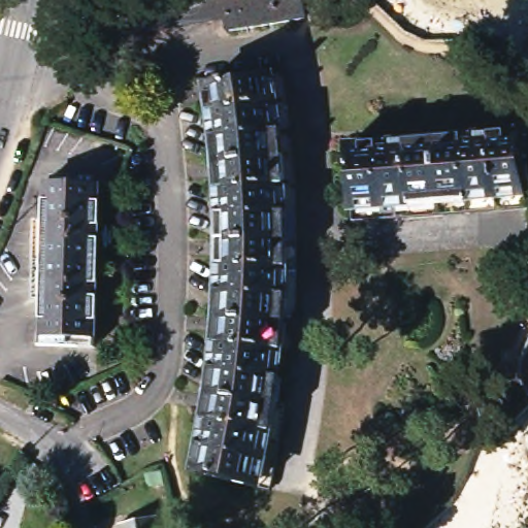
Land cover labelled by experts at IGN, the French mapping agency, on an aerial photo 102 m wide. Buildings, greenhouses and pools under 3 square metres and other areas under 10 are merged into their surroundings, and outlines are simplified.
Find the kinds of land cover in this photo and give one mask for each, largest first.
<instances>
[{"label":"impervious surface","instance_id":"1","mask_svg":"<svg viewBox=\"0 0 528 528\"><path fill-rule=\"evenodd\" d=\"M39 0H0V202L10 188V177L19 159V142L31 136L33 116L41 107H52L60 99H64L68 87L56 80V74L50 66L37 64L35 50L31 47V35H37L33 21ZM394 39L406 43L404 54H410L413 50L427 54H443L448 52V45L443 41H429L406 33L380 6H375L371 8V14ZM182 14L151 21L146 25H132L128 29V35L136 37L134 50L130 52V62H153L155 74L161 78V85L171 91V97L179 105L173 113L163 116L155 124H146L138 116L130 120L153 138L155 167L163 169L159 190L155 196V208L165 225V237L157 243L155 254H122L120 283H128L130 278L134 283L130 301L134 320L128 322L130 330H138L142 334L144 344L155 363L149 365V369L136 380H128L124 373L109 377V382L103 386L95 384L93 388L80 394H72L70 388L74 384L99 371L97 363V349L93 347L85 355H68L64 349L37 347L35 340L43 332L39 330V320L31 316V307L25 305L23 299L27 295V266L21 260L27 256L29 217L35 215L37 208V188L47 186L52 179H66L68 188L87 186L93 198H97L101 186L109 188L118 179V151H122L124 157H132L130 146L122 144V113L116 107L113 87H99L95 95L76 93V101L85 105L78 111V116L85 124L91 126V132H97V138L72 136L56 130L47 132L41 157L29 177L23 204L19 208V223L12 231L8 245L4 248V254L0 256V386L4 384V375H14L23 382H35L43 377L52 386L54 400L60 398L64 406H68V400L74 402V410H78L80 415L76 425L66 417H54L50 421L39 419L35 417L31 406L21 408L17 404L0 400V427L4 429L2 439L21 448L29 464L45 468L56 476L50 491L60 503L58 518L66 524V528H111L116 518V503L101 499H91V489L83 483L91 472H99L101 468H105L103 454L95 448V437H103L113 458L120 460H124V454H138L140 448H146L155 439L163 437L159 425L153 423V419L155 413H159L163 406H169L177 404L179 390L175 388V380L184 373V367H188V371L196 377L200 375V367H196V361L204 355V338L200 332L208 328L210 293H206L204 289L208 285V278L196 274L200 266H208V243L198 241L202 231L196 229L198 221H208V184L204 179L190 186L188 151L194 149L196 153H200L204 149V142L200 138H194V132L204 130L200 109L206 107L210 99V78L215 74L229 72L231 83L276 76L278 83L285 87V101L289 107L285 136L297 142L293 190L295 198L293 212L289 219L293 225L297 260L295 322L305 328L309 320L320 318L322 314L330 320L334 311L328 307L330 289L328 268L322 262V254L318 248L320 239L326 233H330L334 239H340L342 229H363L365 254L373 258L375 264H382V274L394 272L392 260L404 250V245L410 252H458L462 248L472 245L483 248L487 252L505 241L509 235H516L528 227V225L526 206L520 202L503 204L499 210H495L493 206H483L474 215L464 212L456 217H408L402 223V227H398L394 219H384L380 212L361 215L355 210H347L344 204L332 210V206L326 202L324 190L330 184L332 171L326 167V149L338 151L340 140L351 136V132L342 130L330 132V101L328 89L320 83V66L316 56L318 45L314 43L307 21H301L285 23V19H276L268 23L225 29L221 21H208L182 27ZM481 359L489 361L497 369V373L505 377V400L499 410L505 417L514 419V425L520 431L528 425V322L518 320L503 324L497 328L483 330L481 342ZM328 384V365L320 367V363H316L307 353L299 363H291V373L287 375V394L283 402L285 421L283 427L268 437V458L262 468L264 476H270V485L266 487L270 493H303L301 507L297 512L311 516L309 526L318 524L322 518L332 520L336 516V503L326 501V497L314 487L316 474L311 472V464L316 456ZM25 499L21 493L14 491L8 499V505L0 501V528H21Z\"/></svg>","mask_w":528,"mask_h":528},{"label":"building","instance_id":"2","mask_svg":"<svg viewBox=\"0 0 528 528\"><path fill-rule=\"evenodd\" d=\"M276 19H285V23L301 21L303 6L301 0H200L194 2L188 8V12L182 14V27L208 21H221L225 29L268 23ZM204 130L194 132V138H200L204 142V149L208 155L204 179L208 184V221H198L196 229L202 231L198 241L208 243V266H200L196 274L208 278V285L204 289L206 293H210L208 328L200 332L204 338V355L196 361V367H200V375L196 377L188 371V367H184V373L175 380V388L179 390L177 404L179 406H188L194 410V435L190 439L188 460H198V468L202 472L215 474L217 479L233 481L245 493L254 495L260 487H266L270 485V476H264L262 468L268 458V437L283 427L285 421L283 402L287 394V375L291 373V363H299L307 353L301 351V338L305 328L295 322L297 260L293 225L289 219L293 212L295 198L293 190L297 142L285 136L289 107L285 101V87L278 83L276 76L231 83L229 72L215 74L210 78V99L206 107L200 109ZM507 136L503 134L501 126H497L476 130L413 132L382 138L351 136L340 140L338 151L344 159L342 169H349V175L342 182L344 204L347 210H355L361 215L380 212L384 219H394L398 227H402V223L408 217H456L464 212L474 215L483 206H493L495 210H499L503 204L520 202L522 194L518 190L520 182L516 175L514 157L507 155ZM118 208L111 202L109 188L101 186L97 198H93L87 186L68 188L66 179H52L47 186L37 188V208L35 215L29 217L27 256L21 260L27 266V295L23 299L25 305L31 307V316L39 320V330L43 332L35 340L37 347L64 349L68 355H85L93 347L97 340H103L107 336V332L116 330L118 320L122 318V305L116 297L120 283L122 254L118 252L113 239ZM144 481L149 487L161 489L165 485L163 474L159 470L151 472H144ZM161 509L159 499L136 509L134 518H116L111 528H153L155 516Z\"/></svg>","mask_w":528,"mask_h":528},{"label":"deciduous trees","instance_id":"3","mask_svg":"<svg viewBox=\"0 0 528 528\"><path fill-rule=\"evenodd\" d=\"M194 2L200 0H39L33 21L37 35H31V47L35 50L37 64L50 66L56 74V80L68 87L76 93L95 95L99 87H113L116 107L122 113V144L130 146L132 157H124L122 151H118V179L109 188L111 202L118 208L113 239L118 252L122 254H155L157 243L165 237V225L155 208V196L159 190L163 169L155 167L153 138L130 120L138 116L146 124H155L163 116L173 113L179 105L171 97V91L161 85V78L155 74L153 62H130V52L134 50L136 37L128 35V29L132 25H146L151 21L182 14L188 12V8ZM303 6L309 10L311 17H318V27L326 31L340 27L347 14H361L363 21L371 14V8L375 6L371 0H301ZM446 64L458 66L452 72V76H456L464 87L460 95H472L476 99H483V105L487 109L501 116L497 126H501L503 134L507 136V155L514 157L516 175L520 182L518 190L522 194L520 202L526 206L528 225V45L516 41L514 37L485 35V39L479 45H472L470 41H464L458 33H454L448 45V52L443 54ZM326 202L332 206V210L344 204L342 182L330 184L324 190ZM479 293L493 303V311L499 316L503 324L518 320L528 322V227L516 235H509L505 241L487 252L476 268ZM318 248L322 254V262L328 268L330 289L334 285L344 287L347 283H355L359 287L361 283H369L373 276L382 274V264H375L373 258L365 254L363 229H342L340 239H334L330 233H326L320 239ZM349 320H330L322 314L320 318L309 320L305 328L301 338V351L307 353L316 363H320V367L328 365L332 363L336 369L355 365L359 369H365L377 353L375 340H371L369 336L349 332ZM93 347L97 349V363L107 365L113 361L124 373L128 380H136L149 369V365L155 363L144 344L142 334L138 330H116L107 332V336L103 340H97ZM410 398L400 400L396 404H375L373 415L363 419L361 427L351 433L359 458L353 460L349 466H342V452L338 446L316 456L311 464V472L316 474L314 487L326 497V501L336 503V516L332 520L322 518L318 524L309 526L311 516L297 512L289 507L262 528H415L410 524V514L417 505L419 487L413 485V481L408 479L406 468L425 466L431 470L448 472L450 466L458 460L460 450L476 448L481 452L491 454L497 448H503L505 443L516 439V433L520 431L514 425V419L505 417L499 410L505 400V377L497 373V369L489 361L481 359L460 365L454 373H450L446 386L441 388V394L437 398L425 390V384L413 380ZM56 476L45 468L29 464L25 466V472H19L14 491L21 493L25 499L21 528H66V524L58 518L60 503L50 491Z\"/></svg>","mask_w":528,"mask_h":528},{"label":"herbaceous vegetation","instance_id":"4","mask_svg":"<svg viewBox=\"0 0 528 528\"><path fill-rule=\"evenodd\" d=\"M301 21H307L314 43L318 45L316 56L320 66V83L328 89L330 101V132L342 130L351 132V136L382 138L413 132L476 130L497 126L501 116L487 109L483 105V99H476L472 95H460L464 87L456 76H452V72L458 66L446 64L443 54H427L413 50L410 54H404L406 43L394 39L371 14L363 21L361 14H347L340 27L326 31L318 27V17H311L309 10L303 6ZM373 33H380L377 50L357 68L353 76H347V66L351 58L367 39H371ZM208 155L204 149L200 153H196L194 149L188 151L190 186L204 179ZM487 252L483 248L472 245L462 248L458 252H410L404 245V250L392 260L394 272L382 274L373 276L369 283H361L359 287L355 283H347L344 287L334 285L330 289L328 307L334 311L330 320H349V332L369 336L371 340H375L377 353L365 369H359L355 365L336 369L332 363L328 365V384L316 456L338 446L342 452V466H349L353 460L359 458L351 433L361 427L363 419L373 415L375 404H396L400 400L410 398L413 380L425 384V390L437 398L441 394V388L433 380L427 355L435 351L439 359H450L454 353H460L462 309L454 307V299L460 295L468 297L472 326L470 344L481 342L483 330L497 328L503 324L499 316L493 311V303L479 293L476 268ZM435 297L441 299L446 311L443 332L435 340V344L421 349L406 336L423 324H427L429 303ZM0 400L17 404L21 408L31 406V402L23 396L19 388L4 384L0 386ZM177 458L188 476V499L182 516H173L175 501L169 487L165 485L161 489L149 487L144 481V472H151L146 468V462H171V454L167 450V433L171 425L169 406H163L159 413H155L153 419V423L159 425L163 437L155 439L146 448H140L138 454H124V460H120L128 472V479L109 489L107 493H103L101 499L116 503V518H134L136 509L159 499L161 509L155 516L153 528H262L289 507L297 512L301 507L303 493H270L266 487H260L254 495L245 493L233 481L217 479L215 474L202 472L198 468V460H188L190 439L194 435V410L188 406H179ZM4 429L0 427V474L2 466L14 458V454L21 448L2 439ZM481 452L476 448L460 450L458 460L450 466L448 472L431 470L425 466L406 468L408 479L413 481V485L419 487L417 505L410 514V524L415 528H441L454 518L456 499L466 487L468 479L474 474V466Z\"/></svg>","mask_w":528,"mask_h":528},{"label":"brushwood","instance_id":"5","mask_svg":"<svg viewBox=\"0 0 528 528\"><path fill-rule=\"evenodd\" d=\"M380 33H373L371 39H367L351 58L347 66V76H353L357 68L377 50ZM85 105L76 101V93L68 87L64 99H60L52 107H41L33 116L31 136L19 142V159L10 177V188L0 202V256L4 254V248L8 245L12 231L19 223V208L23 204L29 177L41 157L47 132L56 130L72 136L97 138V132H91V126L85 124L78 116V111ZM344 159L338 151L326 149V167L332 171L330 184L342 182L349 175V169H342ZM134 283L130 278L128 283H120L116 297L122 305V318L118 320L116 330H130L128 322L134 320L130 301ZM468 297L460 295L454 299V307L462 309L460 353H454L450 359H439L435 351L427 355L433 380L441 388L446 386L450 373H454L460 365L481 359V342L470 344L472 326ZM446 311L441 299L435 297L429 303L427 324H423L406 336L421 349L435 344V340L443 332ZM99 371L74 384L70 388L72 394H80L93 388L95 384L103 386L109 382V377L124 373L113 361L107 365L97 363ZM4 384L19 388L23 396L31 402V406L35 417L39 419L50 421L54 417H66L76 425L80 415L78 410H74V402L68 400V406H64L60 398L54 400L52 386L43 377L35 382H23L14 375H4ZM95 448L103 454L105 468H101L99 472H91L83 483L91 489V499H101L103 493H107L109 489L128 479V472L120 460L113 458L103 437H95ZM29 464L21 448L14 454V458L2 466L0 474V501L8 505V499L14 491L19 472H25V466ZM146 468L151 472L159 470L163 474L165 485L169 487L175 501L173 516H182L188 499L179 495L171 462H146Z\"/></svg>","mask_w":528,"mask_h":528},{"label":"bare soil","instance_id":"6","mask_svg":"<svg viewBox=\"0 0 528 528\"><path fill-rule=\"evenodd\" d=\"M375 6H380L406 33L429 41H443L448 45L454 33H458L464 41H470L472 45H479L485 39V35L514 37L516 41L528 45V0H371ZM441 528H528V425L520 431L516 433V439L505 443L503 448H497L491 454L481 452L474 466V474L468 479L466 487L456 499L454 518Z\"/></svg>","mask_w":528,"mask_h":528},{"label":"pervious surface","instance_id":"7","mask_svg":"<svg viewBox=\"0 0 528 528\"><path fill-rule=\"evenodd\" d=\"M171 425L167 433V450L171 454V462L179 495L188 499V476L177 458L179 406L177 404L169 406Z\"/></svg>","mask_w":528,"mask_h":528}]
</instances>
